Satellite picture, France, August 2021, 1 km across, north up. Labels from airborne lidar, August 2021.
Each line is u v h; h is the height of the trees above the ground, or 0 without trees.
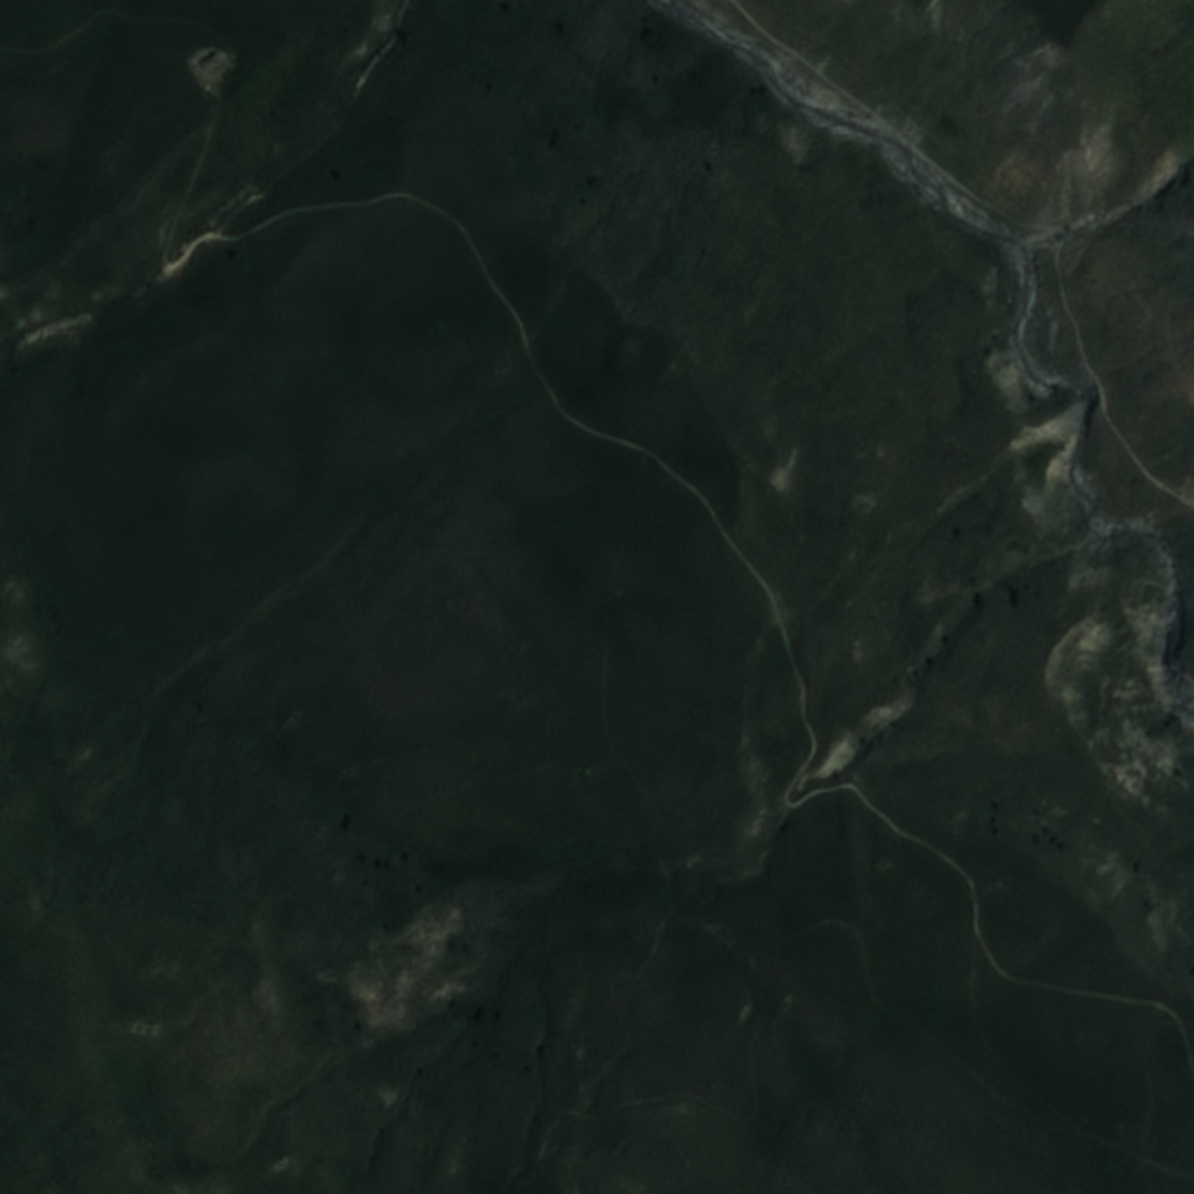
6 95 0
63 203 0
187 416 0
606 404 0
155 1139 0
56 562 0
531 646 0
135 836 0
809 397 0
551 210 0
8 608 0
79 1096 0
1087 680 0
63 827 0
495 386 0
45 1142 0
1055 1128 0
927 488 0
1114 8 0
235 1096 0
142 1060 0
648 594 0
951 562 0
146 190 0
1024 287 0
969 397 0
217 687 0
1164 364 0
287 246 0
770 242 0
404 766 0
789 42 0
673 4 0
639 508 0
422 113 0
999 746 0
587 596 0
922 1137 0
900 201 0
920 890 0
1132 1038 0
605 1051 0
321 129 0
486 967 0
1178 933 0
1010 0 0
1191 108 0
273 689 0
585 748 0
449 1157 0
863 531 0
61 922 0
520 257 0
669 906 0
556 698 0
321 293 0
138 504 0
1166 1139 0
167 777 0
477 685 0
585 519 0
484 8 0
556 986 0
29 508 0
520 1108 0
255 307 0
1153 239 0
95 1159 0
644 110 0
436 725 0
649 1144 0
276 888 0
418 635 0
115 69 0
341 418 0
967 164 0
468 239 0
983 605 8
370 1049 0
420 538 0
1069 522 0
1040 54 0
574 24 0
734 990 0
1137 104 0
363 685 0
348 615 0
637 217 0
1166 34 0
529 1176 0
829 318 0
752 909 0
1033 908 0
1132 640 0
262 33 0
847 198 0
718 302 0
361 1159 0
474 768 0
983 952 0
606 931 0
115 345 0
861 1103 0
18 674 0
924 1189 0
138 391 0
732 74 0
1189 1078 0
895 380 0
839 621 0
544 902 0
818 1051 0
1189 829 0
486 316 0
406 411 0
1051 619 0
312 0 0
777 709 0
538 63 0
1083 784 0
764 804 0
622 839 0
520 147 0
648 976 0
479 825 0
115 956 0
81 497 0
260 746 0
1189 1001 0
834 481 0
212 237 0
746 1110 0
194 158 0
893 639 0
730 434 0
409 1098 0
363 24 0
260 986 0
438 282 0
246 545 0
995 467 0
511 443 0
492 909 0
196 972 0
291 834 0
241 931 0
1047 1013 0
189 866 0
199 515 0
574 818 0
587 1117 0
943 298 0
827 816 0
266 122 0
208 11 0
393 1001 0
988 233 0
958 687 0
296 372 0
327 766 0
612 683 0
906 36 0
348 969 0
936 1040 0
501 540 0
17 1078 0
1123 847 0
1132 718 0
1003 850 0
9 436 0
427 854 0
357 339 0
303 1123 0
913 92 0
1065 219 0
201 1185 0
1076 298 0
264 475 0
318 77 0
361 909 0
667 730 0
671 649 0
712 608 0
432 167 0
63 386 0
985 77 0
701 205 0
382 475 0
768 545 0
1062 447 0
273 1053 0
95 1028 0
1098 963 0
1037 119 0
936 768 0
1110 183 0
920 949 0
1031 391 0
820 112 0
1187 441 0
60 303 0
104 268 0
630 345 0
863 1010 0
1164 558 0
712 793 0
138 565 0
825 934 0
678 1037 0
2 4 0
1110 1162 0
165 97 0
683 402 0
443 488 0
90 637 0
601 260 0
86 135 0
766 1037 0
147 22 0
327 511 0
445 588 0
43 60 0
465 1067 0
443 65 0
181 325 0
